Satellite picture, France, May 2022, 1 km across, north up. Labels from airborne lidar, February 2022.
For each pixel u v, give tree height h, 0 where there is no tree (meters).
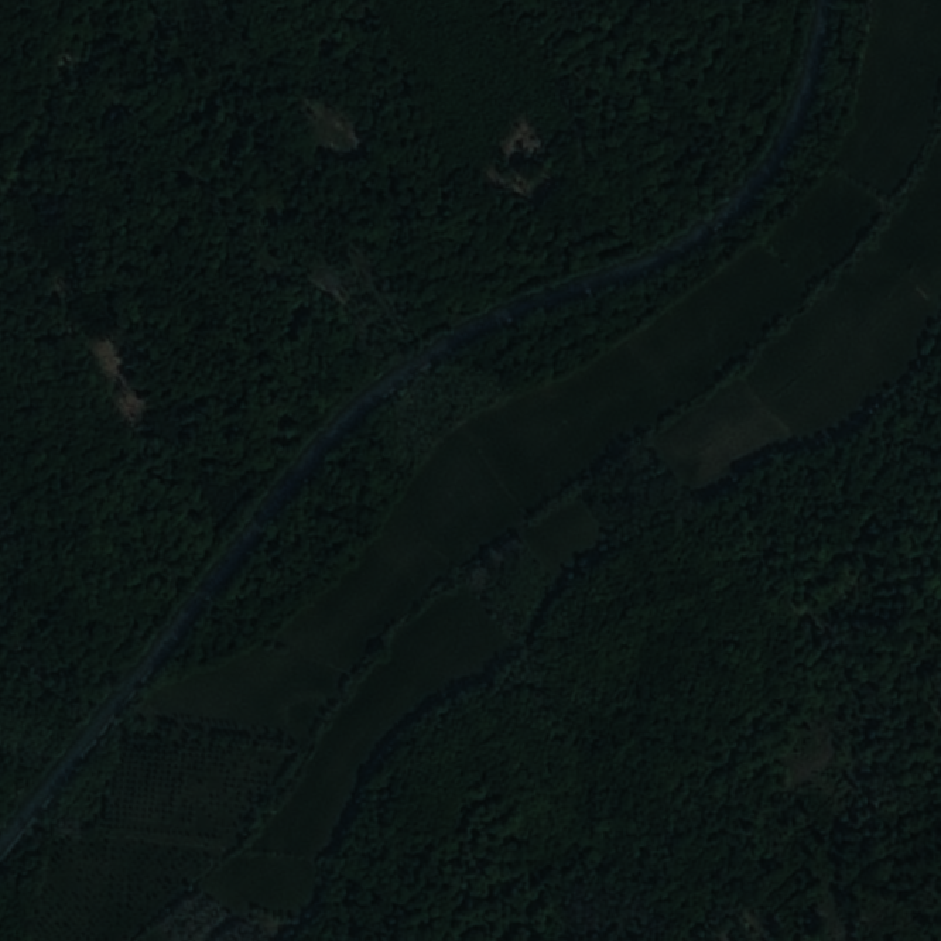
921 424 19
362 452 28
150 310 27
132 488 31
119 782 0
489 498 0
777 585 33
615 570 23
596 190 29
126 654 20
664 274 21
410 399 19
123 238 28
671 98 27
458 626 0
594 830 26
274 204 0
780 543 30
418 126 21
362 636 0
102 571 30
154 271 24
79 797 12
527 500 0
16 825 0
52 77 25
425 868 30
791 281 0
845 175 8
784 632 29
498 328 24
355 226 29
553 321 23
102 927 0
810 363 0
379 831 27
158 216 31
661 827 16
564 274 20
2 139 30
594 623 22
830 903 0
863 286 0
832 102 26
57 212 8
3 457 24
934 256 0
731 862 26
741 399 0
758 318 0
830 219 0
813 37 0
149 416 10
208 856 0
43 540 24
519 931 35
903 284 0
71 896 0
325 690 0
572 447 0
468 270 13
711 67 28
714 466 0
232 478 10
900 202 12
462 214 28
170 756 0
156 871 0
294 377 29
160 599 20
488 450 0
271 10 20
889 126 0
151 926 11
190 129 29
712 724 27
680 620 27
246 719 0
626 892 26
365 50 25
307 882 0
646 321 17
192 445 27
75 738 0
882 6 0
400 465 13
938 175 0
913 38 0
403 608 0
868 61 0
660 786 26
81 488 29
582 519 0
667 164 24
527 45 25
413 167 25
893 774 34
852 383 0
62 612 26
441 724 24
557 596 18
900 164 0
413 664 0
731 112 27
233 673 0
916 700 27
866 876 32
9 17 31
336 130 0
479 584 17
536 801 26
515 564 22
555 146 26
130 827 0
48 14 26
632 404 0
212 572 0
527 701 26
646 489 36
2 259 21
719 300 0
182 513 28
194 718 0
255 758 0
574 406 0
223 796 0
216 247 27
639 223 25
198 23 13
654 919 31
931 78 0
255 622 22
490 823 37
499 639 0
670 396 0
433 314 28
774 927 33
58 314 26
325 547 17
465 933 29
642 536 28
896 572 35
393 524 0
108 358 0
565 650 22
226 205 20
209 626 23
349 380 26
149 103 27
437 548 0
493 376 24
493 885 10
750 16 26
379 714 0
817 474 30
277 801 7
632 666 22
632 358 0
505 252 30
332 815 0
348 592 0
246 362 29
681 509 33
